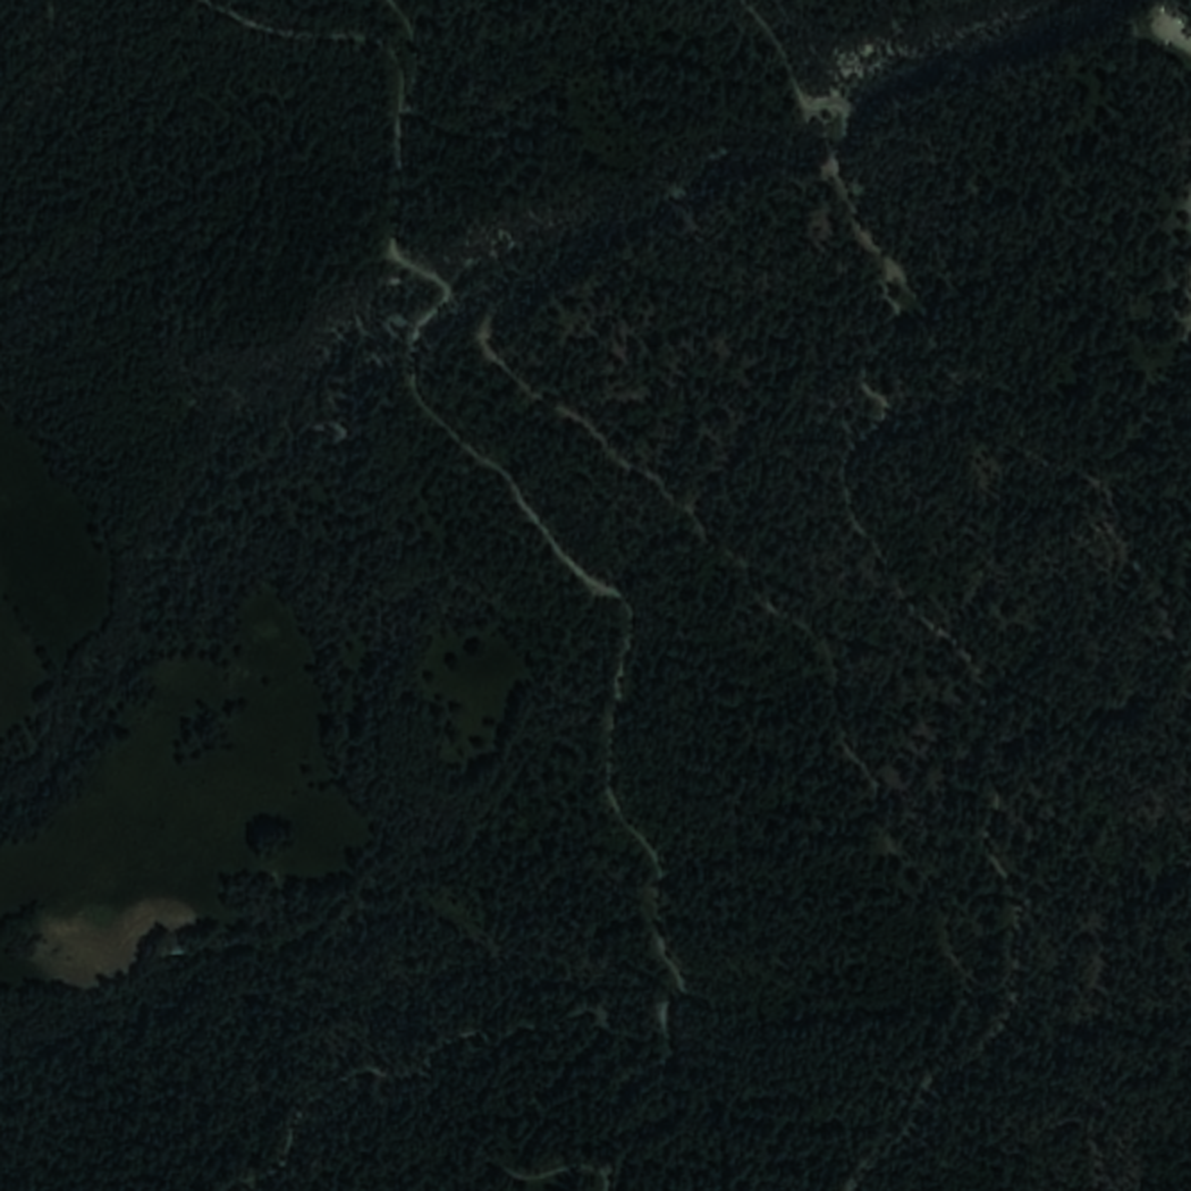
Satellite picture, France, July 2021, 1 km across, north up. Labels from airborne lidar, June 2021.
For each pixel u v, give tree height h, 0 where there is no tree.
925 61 9
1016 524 31
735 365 12
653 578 26
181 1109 26
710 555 15
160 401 13
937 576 14
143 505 19
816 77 7
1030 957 31
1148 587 29
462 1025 18
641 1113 20
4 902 0
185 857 0
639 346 29
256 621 0
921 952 12
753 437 29
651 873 25
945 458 30
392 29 26
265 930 15
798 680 7
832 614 14
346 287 12
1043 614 9
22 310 17
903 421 12
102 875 0
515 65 14
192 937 14
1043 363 29
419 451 7
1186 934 22
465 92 26
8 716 0
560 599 8
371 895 29
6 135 11
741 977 17
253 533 16
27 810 21
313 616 16
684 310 26
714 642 13
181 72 13
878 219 25
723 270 6
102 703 17
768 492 28
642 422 10
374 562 18
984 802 17
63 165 16
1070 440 34
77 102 15
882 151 15
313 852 0
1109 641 26
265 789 0
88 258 16
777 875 7
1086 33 21
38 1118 27
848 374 13
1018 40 10
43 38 16
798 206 9
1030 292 31
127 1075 10
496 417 9
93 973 0
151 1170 13
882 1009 9
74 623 0
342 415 8
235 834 0
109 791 0
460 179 8
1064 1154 11
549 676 9
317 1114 20
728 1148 21
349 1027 23
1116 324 30
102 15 9
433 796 19
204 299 17
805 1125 29
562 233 10
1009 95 29
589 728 12
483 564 14
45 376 14
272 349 13
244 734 0
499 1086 30
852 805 25
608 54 7
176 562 18
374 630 16
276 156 16
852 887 14
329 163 12
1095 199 9
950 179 24
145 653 11
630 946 12
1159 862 10
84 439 18
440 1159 16
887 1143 21
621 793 9
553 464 24
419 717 28
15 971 0
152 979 14
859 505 11
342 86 14
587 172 19
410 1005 12
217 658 16
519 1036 13
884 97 7
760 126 12
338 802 0
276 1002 24
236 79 19
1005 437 26
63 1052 21
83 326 19
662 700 30
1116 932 9
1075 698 32
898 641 10
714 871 26
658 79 31
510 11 26
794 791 7
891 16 16
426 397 13
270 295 18
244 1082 30
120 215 15
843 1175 16
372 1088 21
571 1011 12
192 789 0
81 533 0
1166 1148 14
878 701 12
